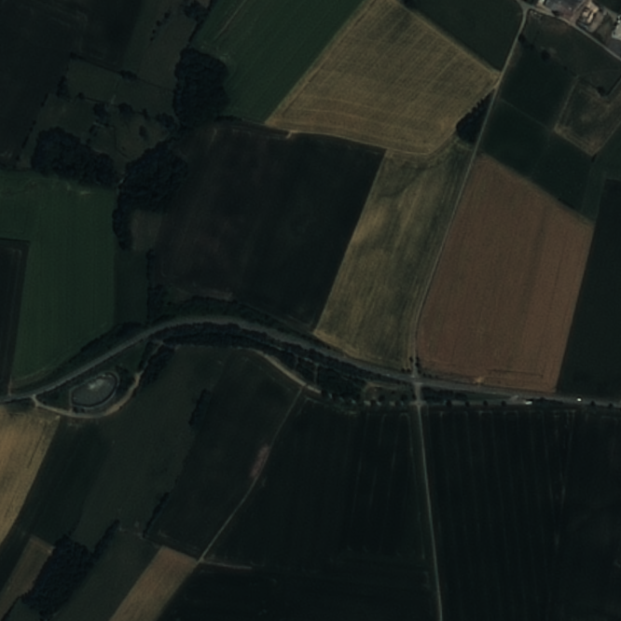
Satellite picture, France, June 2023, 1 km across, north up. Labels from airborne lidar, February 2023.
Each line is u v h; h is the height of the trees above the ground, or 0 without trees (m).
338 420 0
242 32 0
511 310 0
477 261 0
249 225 0
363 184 0
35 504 0
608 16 0
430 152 0
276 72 0
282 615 0
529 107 0
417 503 0
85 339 0
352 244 0
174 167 17
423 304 0
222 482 0
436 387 0
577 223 0
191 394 0
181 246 0
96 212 0
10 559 0
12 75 0
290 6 0
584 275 0
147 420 0
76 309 0
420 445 0
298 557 0
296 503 0
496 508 0
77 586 7
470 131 17
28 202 0
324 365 7
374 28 0
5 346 0
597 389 0
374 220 0
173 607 0
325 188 0
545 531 0
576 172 0
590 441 0
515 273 0
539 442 0
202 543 0
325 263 0
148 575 0
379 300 0
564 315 0
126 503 0
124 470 0
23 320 0
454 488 0
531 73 0
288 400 0
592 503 0
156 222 0
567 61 0
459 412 0
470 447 0
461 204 0
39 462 0
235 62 0
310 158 0
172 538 0
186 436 0
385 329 0
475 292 0
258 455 0
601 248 0
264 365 0
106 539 9
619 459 0
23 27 0
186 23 0
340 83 0
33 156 0
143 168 16
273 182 0
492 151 0
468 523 0
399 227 0
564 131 0
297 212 0
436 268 0
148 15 0
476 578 0
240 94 0
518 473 0
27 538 0
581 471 0
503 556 0
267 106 0
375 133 0
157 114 0
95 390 0
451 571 0
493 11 0
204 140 0
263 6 0
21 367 0
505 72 0
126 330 12
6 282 0
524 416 0
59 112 0
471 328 0
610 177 0
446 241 0
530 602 0
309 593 0
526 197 0
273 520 0
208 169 0
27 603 12
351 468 0
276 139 0
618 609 0
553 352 0
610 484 0
